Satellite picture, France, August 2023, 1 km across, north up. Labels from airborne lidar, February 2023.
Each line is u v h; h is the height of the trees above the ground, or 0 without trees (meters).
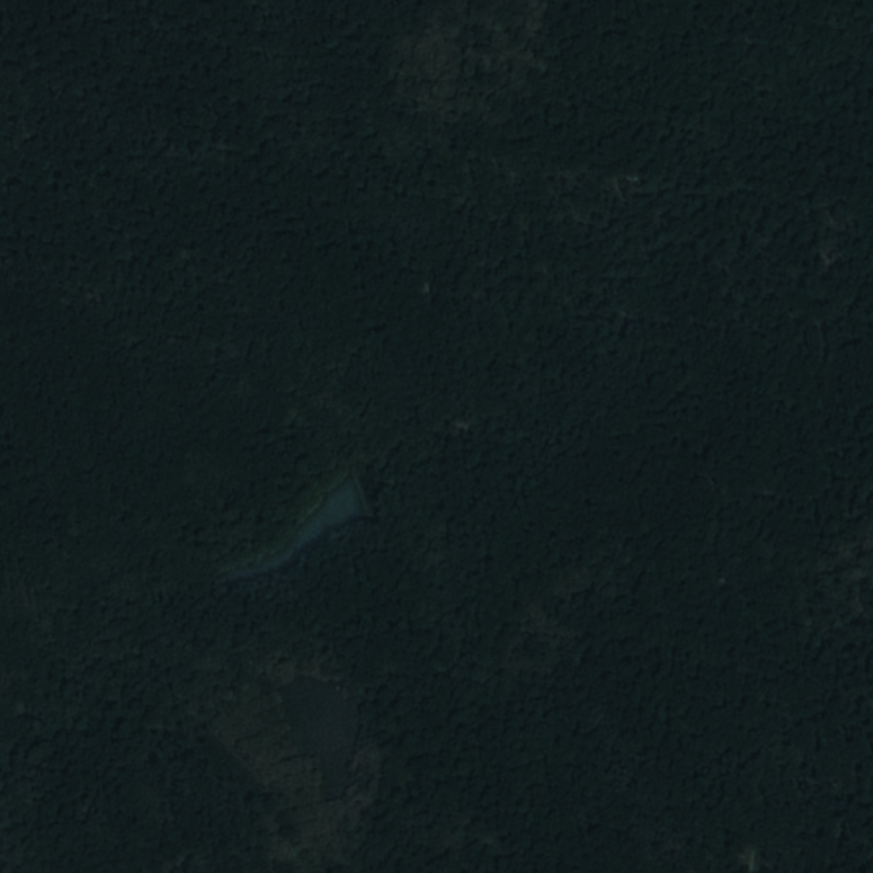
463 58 17
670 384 24
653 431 25
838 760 23
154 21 24
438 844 13
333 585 25
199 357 20
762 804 21
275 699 13
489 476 21
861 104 21
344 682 18
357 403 22
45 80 24
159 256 21
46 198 22
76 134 19
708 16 19
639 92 23
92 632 25
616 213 12
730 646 22
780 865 21
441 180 21
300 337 21
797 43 21
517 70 12
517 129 22
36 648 20
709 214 21
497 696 12
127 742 18
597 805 23
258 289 22
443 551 21
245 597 20
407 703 24
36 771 24
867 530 19
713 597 20
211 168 26
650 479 25
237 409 21
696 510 24
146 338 20
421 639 23
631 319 22
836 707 22
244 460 19
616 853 23
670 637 23
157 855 19
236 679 17
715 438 21
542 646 18
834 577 12
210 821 20
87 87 23
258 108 17
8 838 22
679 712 22
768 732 22
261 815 17
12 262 21
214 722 14
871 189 24
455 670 21
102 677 23
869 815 23
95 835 20
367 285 26
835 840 24
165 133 22
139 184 24
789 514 25
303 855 17
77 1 22
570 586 8
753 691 25
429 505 21
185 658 22
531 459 19
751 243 20
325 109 19
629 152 20
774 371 22
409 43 15
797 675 18
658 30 22
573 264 21
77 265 25
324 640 23
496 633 20
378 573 23
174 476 20
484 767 13
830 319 24
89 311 24
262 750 14
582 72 23
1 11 26
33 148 23
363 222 19
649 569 21
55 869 22
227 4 21
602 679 22
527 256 23
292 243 21
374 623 20
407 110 22
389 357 24
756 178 10
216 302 25
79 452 20
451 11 17
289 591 18
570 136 20
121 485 24
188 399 22
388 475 20
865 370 21
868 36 23
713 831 23
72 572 16
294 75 22
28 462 22
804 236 20
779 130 17
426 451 17
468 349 22
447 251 21
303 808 11
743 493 26
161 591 18
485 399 20
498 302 25
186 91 24
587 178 21
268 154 25
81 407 23
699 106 20
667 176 14
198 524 20
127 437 21
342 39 21
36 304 24
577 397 16
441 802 23
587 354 23
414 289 23
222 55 21
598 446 23
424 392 22
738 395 22
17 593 15
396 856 21
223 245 21
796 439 25
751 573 23
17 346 21
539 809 21
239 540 22
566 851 25
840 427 22
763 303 21
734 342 20
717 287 21
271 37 20
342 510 0
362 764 13
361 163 26
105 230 20
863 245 19
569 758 23
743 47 20
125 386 20
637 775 21
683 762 24
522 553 22
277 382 24
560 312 20
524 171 24
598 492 23
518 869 23
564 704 19
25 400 23
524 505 23
